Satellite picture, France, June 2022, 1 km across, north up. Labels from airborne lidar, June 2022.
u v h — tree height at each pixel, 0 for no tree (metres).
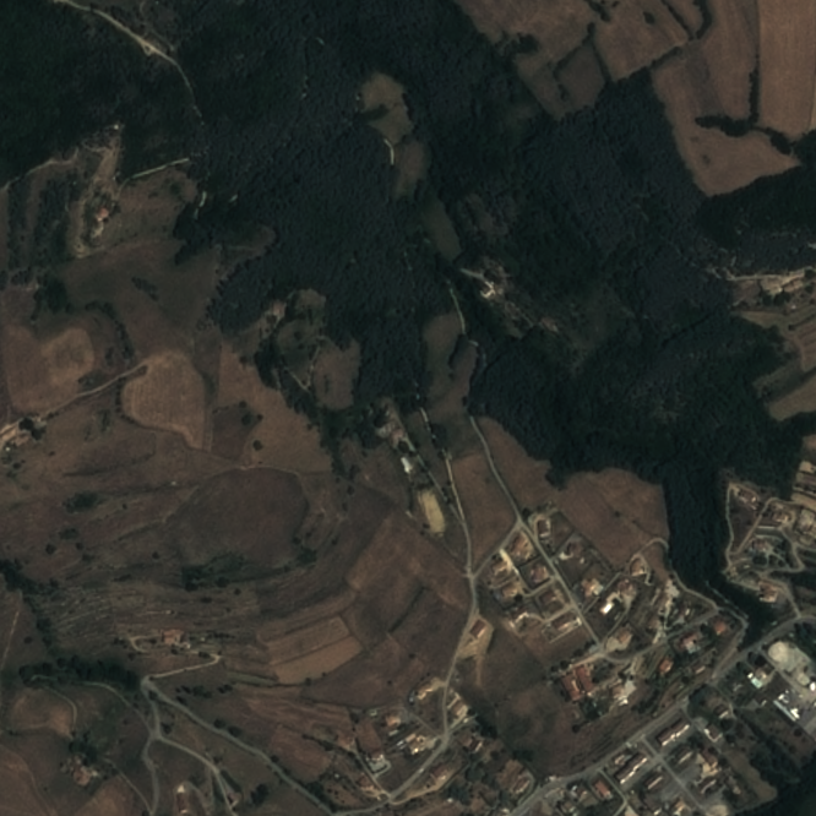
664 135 16
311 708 0
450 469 0
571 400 7
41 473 0
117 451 0
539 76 0
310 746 0
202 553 0
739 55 0
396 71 18
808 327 0
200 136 14
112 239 0
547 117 10
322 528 0
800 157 6
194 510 0
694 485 26
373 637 0
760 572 0
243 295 16
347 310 13
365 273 17
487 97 10
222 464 0
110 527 0
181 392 0
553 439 25
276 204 17
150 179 0
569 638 0
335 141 23
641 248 11
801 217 12
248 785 0
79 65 12
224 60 15
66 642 0
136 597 0
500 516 0
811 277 10
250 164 11
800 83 0
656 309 14
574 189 18
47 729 0
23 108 13
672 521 14
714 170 0
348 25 16
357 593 0
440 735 0
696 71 0
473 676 0
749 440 12
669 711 0
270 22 17
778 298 12
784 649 0
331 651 0
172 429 0
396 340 18
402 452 8
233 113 12
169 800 0
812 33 0
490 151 8
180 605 0
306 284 13
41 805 0
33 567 0
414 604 0
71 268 0
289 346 0
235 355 0
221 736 0
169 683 0
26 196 12
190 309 0
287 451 0
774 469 9
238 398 0
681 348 22
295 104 14
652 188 14
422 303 14
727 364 8
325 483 0
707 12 7
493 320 20
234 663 0
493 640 0
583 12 0
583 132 16
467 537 0
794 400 0
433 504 0
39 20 16
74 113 12
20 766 0
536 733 0
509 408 19
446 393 0
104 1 0
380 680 0
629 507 0
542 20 0
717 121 9
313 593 0
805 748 0
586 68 0
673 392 16
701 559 26
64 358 0
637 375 9
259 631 0
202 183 9
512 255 7
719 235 11
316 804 5
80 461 0
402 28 11
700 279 15
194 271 0
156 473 0
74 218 0
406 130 0
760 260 10
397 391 15
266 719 0
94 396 0
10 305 0
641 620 0
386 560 0
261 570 0
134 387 0
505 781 0
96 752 12
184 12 7
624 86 12
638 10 0
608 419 11
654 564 0
